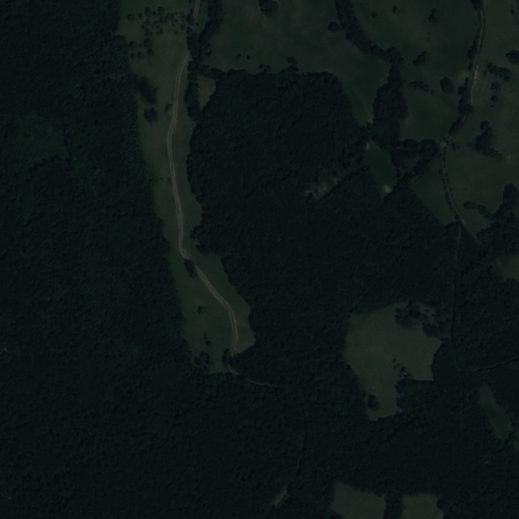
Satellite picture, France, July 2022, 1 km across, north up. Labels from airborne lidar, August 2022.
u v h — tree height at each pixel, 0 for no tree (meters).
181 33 0
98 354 19
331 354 19
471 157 0
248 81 13
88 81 25
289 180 16
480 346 9
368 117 0
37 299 23
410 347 0
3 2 9
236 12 0
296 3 0
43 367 19
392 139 16
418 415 6
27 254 21
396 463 21
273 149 14
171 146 0
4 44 22
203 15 0
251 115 18
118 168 16
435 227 19
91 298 20
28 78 18
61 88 22
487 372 7
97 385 14
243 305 0
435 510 0
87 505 24
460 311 20
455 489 23
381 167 0
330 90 26
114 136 15
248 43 0
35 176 19
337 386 27
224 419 22
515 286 10
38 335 20
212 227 21
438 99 0
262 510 20
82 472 23
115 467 20
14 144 13
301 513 19
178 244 0
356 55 0
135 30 0
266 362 23
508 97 0
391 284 18
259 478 17
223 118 19
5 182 17
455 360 11
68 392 24
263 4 18
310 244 16
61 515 22
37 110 21
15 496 20
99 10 22
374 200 17
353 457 25
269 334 20
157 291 23
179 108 0
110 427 18
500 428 0
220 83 19
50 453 22
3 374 15
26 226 25
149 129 0
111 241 18
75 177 19
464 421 16
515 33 0
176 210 0
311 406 17
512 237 16
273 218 18
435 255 16
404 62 12
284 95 21
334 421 20
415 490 23
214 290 0
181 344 22
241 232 14
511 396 15
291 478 15
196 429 22
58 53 18
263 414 15
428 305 21
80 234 19
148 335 18
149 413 21
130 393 20
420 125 0
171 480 18
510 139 0
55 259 23
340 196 15
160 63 0
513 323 14
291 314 18
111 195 11
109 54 19
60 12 23
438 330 19
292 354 25
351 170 18
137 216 26
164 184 0
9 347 15
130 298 26
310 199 18
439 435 20
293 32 0
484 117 0
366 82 0
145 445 21
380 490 22
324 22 0
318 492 24
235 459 22
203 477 23
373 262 15
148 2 0
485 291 20
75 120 11
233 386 24
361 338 0
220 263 0
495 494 27
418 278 18
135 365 17
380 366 0
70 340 12
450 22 0
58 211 22
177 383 16
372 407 21
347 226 14
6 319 22
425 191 0
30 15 19
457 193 0
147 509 21
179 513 20
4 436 21
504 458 21
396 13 9
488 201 0
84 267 22
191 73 10
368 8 0
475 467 19
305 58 0
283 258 15
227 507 20
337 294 18
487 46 0
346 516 0
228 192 17
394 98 21
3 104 22
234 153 17
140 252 21
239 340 0
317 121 19
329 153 18
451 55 0
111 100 15
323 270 21
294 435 20
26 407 21
